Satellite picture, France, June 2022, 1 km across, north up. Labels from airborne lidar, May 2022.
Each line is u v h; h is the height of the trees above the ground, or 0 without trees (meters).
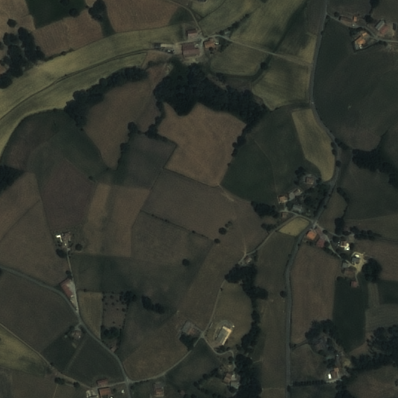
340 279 12
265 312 0
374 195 0
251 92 19
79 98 27
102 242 0
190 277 0
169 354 0
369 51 0
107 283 0
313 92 0
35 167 0
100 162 0
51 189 0
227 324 0
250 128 11
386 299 0
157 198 0
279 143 0
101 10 22
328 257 0
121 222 0
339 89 0
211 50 11
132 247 0
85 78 0
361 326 0
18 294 0
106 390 0
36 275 0
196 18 0
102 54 0
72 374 0
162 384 0
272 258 0
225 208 0
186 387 0
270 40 0
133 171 0
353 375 7
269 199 0
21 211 0
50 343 0
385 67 0
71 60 0
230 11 0
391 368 0
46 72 0
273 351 0
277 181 0
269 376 0
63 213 0
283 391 0
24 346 0
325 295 0
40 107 0
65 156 0
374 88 0
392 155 0
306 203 11
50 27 0
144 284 0
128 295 14
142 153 0
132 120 0
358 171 0
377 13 0
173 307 0
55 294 0
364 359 23
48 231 0
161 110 8
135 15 0
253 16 0
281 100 0
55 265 0
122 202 0
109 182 0
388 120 0
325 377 0
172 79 19
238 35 0
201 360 0
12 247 0
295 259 0
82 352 0
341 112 0
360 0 0
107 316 0
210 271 0
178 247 0
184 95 21
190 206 0
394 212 0
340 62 0
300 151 0
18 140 0
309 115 0
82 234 0
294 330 0
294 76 0
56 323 0
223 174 0
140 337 0
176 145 0
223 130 0
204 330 0
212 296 0
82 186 0
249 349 19
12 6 0
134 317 0
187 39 0
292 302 0
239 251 0
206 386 0
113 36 0
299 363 0
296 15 0
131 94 0
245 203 0
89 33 0
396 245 0
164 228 0
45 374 0
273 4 0
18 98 0
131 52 0
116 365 0
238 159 0
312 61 0
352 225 0
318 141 0
